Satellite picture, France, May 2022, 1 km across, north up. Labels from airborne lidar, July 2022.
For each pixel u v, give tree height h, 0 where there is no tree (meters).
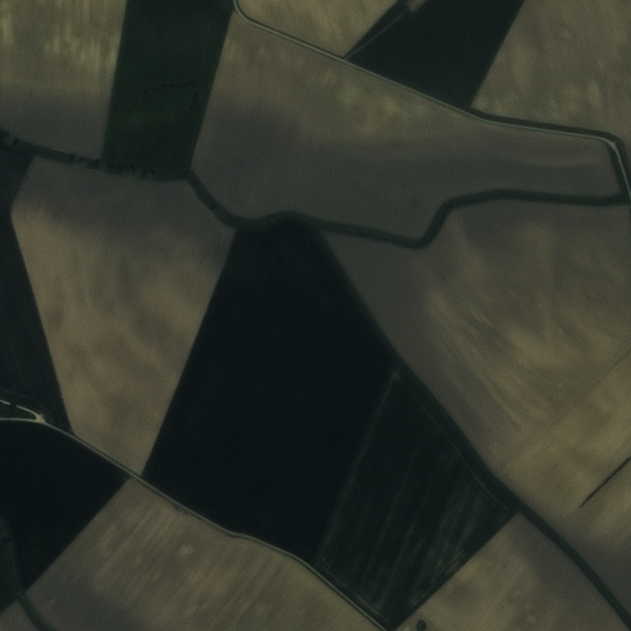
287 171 0
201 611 0
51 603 0
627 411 0
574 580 0
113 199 0
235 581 0
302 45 0
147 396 0
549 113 0
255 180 0
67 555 0
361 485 0
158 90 7
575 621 0
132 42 0
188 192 0
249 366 0
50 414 0
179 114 0
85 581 0
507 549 0
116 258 0
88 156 0
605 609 0
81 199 0
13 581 0
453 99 0
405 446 0
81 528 0
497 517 0
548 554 0
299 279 0
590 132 0
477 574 0
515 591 0
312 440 0
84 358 0
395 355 0
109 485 0
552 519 0
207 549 0
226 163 0
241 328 0
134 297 0
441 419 0
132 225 0
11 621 0
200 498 0
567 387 0
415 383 0
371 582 0
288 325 0
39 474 0
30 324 0
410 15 0
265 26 0
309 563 0
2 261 0
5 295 0
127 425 0
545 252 0
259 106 0
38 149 0
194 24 0
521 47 0
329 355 0
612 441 0
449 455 0
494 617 0
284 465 0
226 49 0
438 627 0
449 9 0
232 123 0
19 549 0
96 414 0
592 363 0
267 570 0
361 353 0
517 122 0
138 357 0
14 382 0
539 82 0
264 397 0
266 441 0
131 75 0
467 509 0
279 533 0
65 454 0
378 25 0
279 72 0
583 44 0
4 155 0
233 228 0
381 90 0
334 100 0
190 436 0
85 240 0
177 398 0
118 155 0
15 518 0
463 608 0
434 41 0
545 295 0
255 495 0
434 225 0
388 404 0
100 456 0
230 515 0
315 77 0
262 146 0
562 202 0
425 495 0
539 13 0
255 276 0
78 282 0
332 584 0
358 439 0
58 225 0
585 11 0
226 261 0
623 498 0
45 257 0
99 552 0
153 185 0
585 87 0
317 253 0
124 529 0
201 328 0
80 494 0
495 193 0
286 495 0
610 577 0
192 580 0
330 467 0
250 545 0
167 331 0
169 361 0
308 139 0
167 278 0
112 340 0
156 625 0
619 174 0
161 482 0
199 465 0
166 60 0
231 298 0
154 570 0
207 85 0
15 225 0
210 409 0
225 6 0
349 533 0
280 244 0
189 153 0
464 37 0
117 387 0
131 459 0
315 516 0
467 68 0
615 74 0
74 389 0
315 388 0
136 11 0
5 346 0
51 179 0
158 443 0
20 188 0
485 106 0
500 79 0
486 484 0
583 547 0
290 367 0
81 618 0
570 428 0
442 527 0
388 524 0
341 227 0
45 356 0
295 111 0
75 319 0
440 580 0
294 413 0
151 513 0
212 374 0
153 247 0
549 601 0
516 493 0
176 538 0
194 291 0
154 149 0
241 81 0
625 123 0
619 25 0
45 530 0
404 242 0
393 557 0
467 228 0
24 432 0
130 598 0
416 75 0
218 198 0
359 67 0
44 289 0
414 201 0
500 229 0
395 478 0
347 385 0
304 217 0
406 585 0
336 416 0
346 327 0
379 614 0
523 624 0
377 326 0
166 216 0
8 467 0
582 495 0
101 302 0
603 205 0
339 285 0
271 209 0
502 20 0
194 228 0
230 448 0
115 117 0
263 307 0
